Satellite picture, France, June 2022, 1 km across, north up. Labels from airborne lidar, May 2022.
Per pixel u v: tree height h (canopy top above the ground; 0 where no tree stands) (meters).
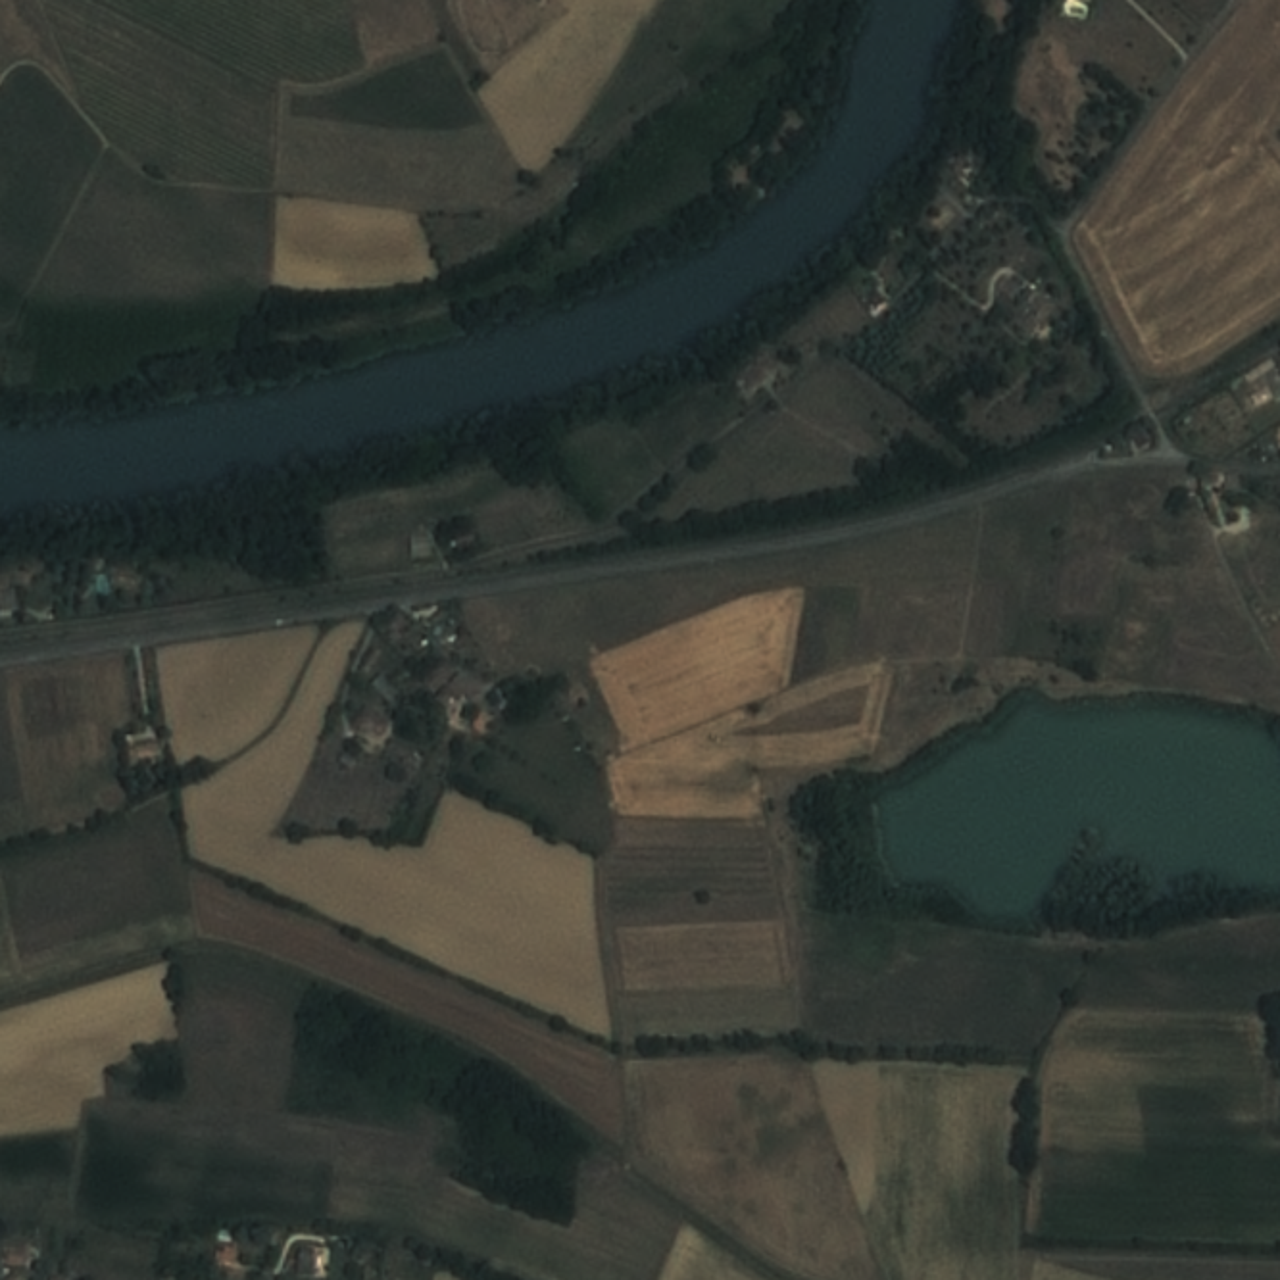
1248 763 0
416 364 0
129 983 0
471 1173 7
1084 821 0
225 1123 0
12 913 0
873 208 11
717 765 0
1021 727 0
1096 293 0
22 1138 0
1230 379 5
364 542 0
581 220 16
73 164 0
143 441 0
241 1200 0
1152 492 0
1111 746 0
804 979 0
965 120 15
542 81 0
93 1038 0
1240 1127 0
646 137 14
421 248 0
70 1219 0
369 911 0
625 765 0
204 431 0
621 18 0
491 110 0
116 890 0
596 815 0
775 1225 0
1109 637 0
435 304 0
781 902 0
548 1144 14
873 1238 0
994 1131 0
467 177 0
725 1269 0
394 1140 0
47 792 0
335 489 13
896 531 0
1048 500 0
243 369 25
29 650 0
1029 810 0
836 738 0
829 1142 0
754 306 17
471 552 9
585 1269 0
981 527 0
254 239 0
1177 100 0
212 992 0
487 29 0
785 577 0
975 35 10
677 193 0
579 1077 0
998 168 20
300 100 0
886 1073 0
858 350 8
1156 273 0
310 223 0
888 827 0
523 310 27
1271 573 0
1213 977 0
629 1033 0
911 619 0
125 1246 0
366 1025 14
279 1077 0
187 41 0
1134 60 0
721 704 0
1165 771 0
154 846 0
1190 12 0
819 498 18
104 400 28
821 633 0
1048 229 7
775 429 0
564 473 16
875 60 0
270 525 31
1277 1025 25
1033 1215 0
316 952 0
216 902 0
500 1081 23
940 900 12
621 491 0
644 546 9
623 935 0
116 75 0
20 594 9
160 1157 0
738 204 35
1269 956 0
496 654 0
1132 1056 0
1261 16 0
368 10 0
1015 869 0
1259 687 0
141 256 0
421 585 0
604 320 0
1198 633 0
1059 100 0
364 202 0
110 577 12
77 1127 0
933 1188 0
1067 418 9
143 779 7
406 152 0
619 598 0
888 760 0
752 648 0
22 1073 0
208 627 0
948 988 0
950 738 11
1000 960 0
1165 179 0
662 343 0
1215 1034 0
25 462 0
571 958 0
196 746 0
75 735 0
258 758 0
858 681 0
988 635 0
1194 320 0
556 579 0
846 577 0
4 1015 0
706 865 0
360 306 15
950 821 0
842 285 7
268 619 0
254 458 0
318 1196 0
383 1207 0
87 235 0
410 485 11
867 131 0
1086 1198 0
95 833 9
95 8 0
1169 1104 0
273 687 0
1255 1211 0
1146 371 0
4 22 0
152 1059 11
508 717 6
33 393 12
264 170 0
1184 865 0
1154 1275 0
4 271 0
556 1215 14
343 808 0
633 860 0
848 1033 0
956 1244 0
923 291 7
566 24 0
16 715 0
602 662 0
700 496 0
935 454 13
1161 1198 0
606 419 13
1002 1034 0
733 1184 0
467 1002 0
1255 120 0
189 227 0
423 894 0
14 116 0
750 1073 0
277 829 0
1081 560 0
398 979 0
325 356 31
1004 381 21
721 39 0
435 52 0
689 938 0
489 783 0
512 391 0
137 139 0
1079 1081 0
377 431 0
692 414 0
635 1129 0
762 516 17
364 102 0
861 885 12
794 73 7
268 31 0
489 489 0
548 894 0
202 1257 7
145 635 0
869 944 0
